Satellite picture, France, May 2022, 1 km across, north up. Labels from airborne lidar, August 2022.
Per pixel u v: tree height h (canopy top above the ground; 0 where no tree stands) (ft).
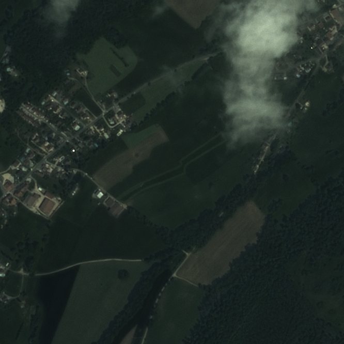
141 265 0
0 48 0
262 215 0
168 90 0
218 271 0
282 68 0
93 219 0
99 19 69
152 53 0
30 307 0
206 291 44
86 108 0
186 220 0
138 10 60
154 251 0
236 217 0
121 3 74
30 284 0
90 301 0
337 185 66
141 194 0
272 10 0
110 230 0
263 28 0
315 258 51
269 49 0
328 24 0
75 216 0
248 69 0
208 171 0
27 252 74
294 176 0
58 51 59
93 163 0
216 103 0
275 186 0
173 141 0
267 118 0
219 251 0
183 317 0
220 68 0
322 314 0
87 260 0
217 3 0
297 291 33
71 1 56
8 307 19
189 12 0
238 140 0
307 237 69
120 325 40
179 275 0
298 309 58
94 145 0
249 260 72
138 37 0
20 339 0
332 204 68
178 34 0
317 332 54
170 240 70
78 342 0
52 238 0
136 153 0
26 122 19
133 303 73
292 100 0
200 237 69
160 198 0
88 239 0
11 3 0
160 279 0
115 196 0
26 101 41
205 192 0
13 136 19
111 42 42
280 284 51
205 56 36
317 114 0
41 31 49
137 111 0
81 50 57
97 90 0
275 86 0
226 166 0
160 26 0
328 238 61
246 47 0
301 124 0
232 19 0
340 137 0
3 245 0
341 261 0
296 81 37
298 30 23
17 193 0
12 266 0
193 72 0
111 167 0
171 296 0
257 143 0
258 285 48
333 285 21
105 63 0
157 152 0
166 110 0
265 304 31
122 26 0
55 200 0
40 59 59
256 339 27
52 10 46
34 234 0
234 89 0
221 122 0
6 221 0
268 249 21
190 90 0
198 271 0
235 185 0
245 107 0
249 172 0
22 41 41
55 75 46
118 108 0
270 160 22
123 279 47
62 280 0
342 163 0
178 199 0
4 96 65
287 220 66
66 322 0
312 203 89
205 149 0
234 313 59
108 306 0
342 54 29
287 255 60
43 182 0
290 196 0
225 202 58
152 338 0
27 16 80
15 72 0
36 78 48
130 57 0
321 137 0
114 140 25
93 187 0
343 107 0
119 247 0
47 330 0
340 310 0
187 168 0
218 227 68
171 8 0
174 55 0
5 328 0
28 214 0
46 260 0
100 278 0
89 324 0
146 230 0
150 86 36
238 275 72
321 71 0
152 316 35
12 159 0
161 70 0
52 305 0
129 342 0
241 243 0
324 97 0
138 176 0
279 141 49
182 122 0
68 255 0
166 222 0
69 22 63
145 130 0
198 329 67
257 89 0
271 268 66
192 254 0
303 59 38
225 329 48
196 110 0
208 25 0
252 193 81
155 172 0
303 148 0
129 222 0
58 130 0
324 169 0
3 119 33
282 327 23
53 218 0
